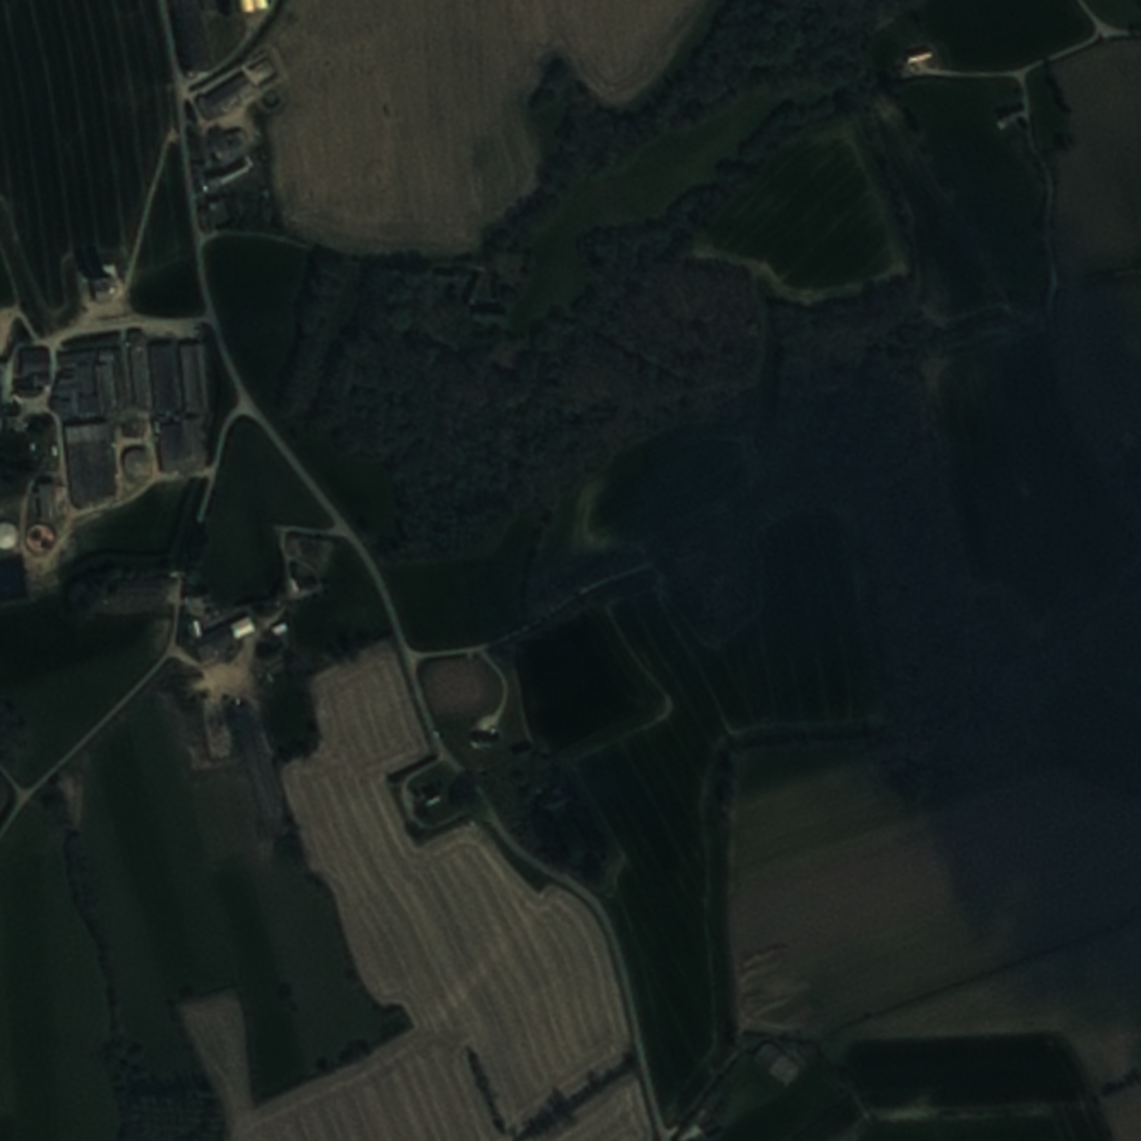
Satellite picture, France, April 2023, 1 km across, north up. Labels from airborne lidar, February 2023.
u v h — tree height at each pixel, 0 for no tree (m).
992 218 0
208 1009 0
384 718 0
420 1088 0
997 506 0
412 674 0
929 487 21
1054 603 0
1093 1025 0
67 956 0
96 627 0
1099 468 10
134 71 0
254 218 7
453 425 15
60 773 6
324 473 0
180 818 0
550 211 14
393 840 0
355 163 0
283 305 0
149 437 0
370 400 11
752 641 0
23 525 0
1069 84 0
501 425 21
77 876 7
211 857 0
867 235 0
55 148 0
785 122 10
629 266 13
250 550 0
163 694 0
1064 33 0
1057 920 0
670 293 20
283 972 0
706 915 0
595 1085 13
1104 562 0
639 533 0
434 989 0
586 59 0
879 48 0
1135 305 0
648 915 0
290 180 0
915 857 0
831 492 12
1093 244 0
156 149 0
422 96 0
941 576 21
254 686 0
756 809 0
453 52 0
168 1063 0
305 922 0
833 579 0
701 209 18
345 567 0
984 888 0
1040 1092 0
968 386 0
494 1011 0
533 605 14
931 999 0
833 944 0
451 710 0
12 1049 0
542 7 0
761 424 0
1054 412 0
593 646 0
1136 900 0
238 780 0
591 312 9
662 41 0
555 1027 0
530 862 0
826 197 0
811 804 0
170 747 0
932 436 11
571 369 15
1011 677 19
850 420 18
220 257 0
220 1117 10
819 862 0
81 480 0
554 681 0
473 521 30
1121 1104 0
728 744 13
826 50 17
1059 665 17
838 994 0
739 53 18
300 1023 0
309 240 0
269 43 0
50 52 0
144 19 0
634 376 21
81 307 0
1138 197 0
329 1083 0
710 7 0
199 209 7
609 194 0
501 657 14
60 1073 0
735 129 0
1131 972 0
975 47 0
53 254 0
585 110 8
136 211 0
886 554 21
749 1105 0
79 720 0
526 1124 0
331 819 0
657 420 12
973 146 0
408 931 0
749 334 17
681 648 0
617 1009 0
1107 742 0
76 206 0
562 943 0
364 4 0
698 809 0
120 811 0
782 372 9
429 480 10
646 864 0
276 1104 0
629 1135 0
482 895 0
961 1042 0
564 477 13
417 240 0
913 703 20
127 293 0
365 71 0
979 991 0
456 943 0
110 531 0
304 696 19
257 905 0
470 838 0
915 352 19
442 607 0
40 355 0
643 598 0
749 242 0
